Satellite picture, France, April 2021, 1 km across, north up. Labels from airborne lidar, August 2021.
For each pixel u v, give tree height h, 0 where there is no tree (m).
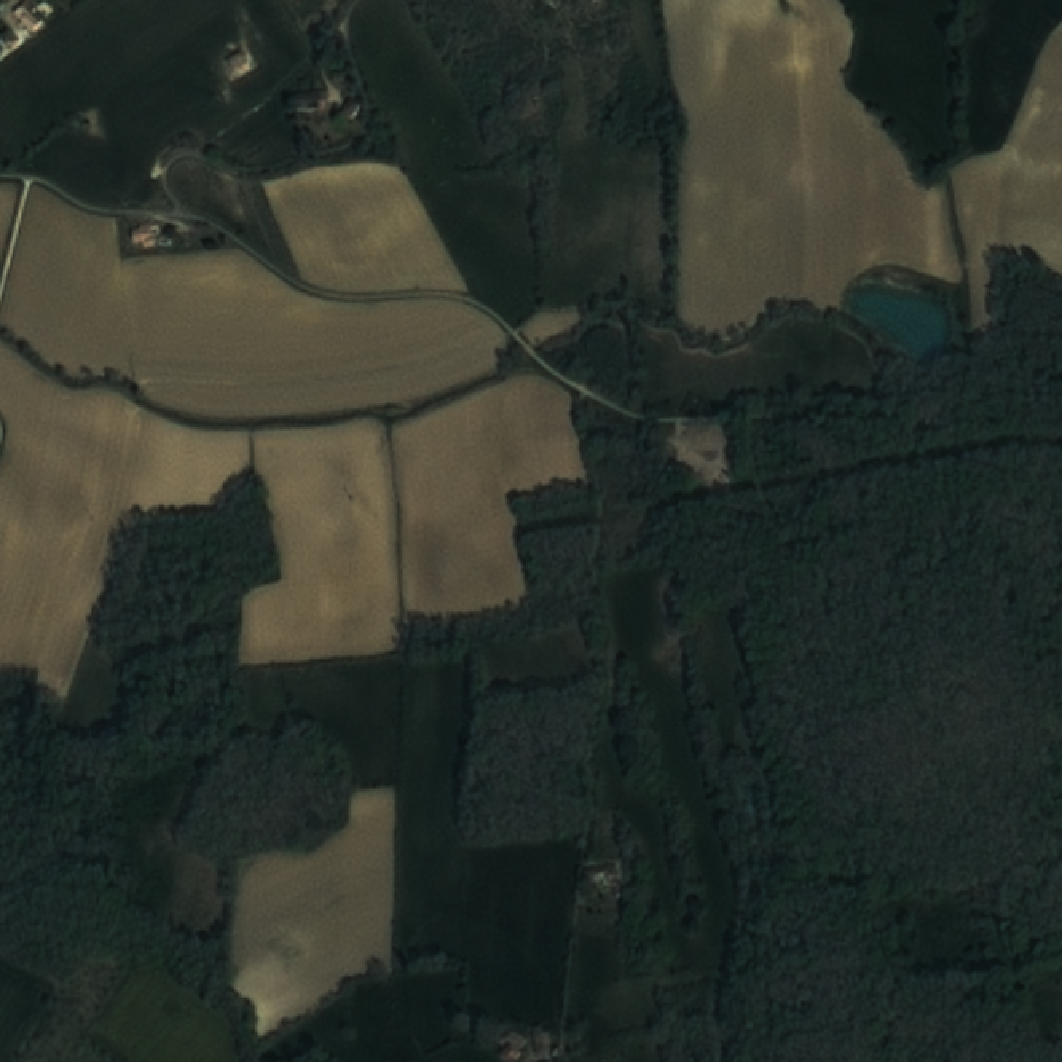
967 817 15
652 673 0
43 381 0
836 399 19
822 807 24
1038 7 0
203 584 6
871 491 19
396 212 0
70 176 0
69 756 27
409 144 0
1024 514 20
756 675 21
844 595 17
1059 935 11
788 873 29
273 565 16
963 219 0
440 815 0
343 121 14
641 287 0
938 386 25
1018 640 20
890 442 17
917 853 22
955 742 15
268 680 0
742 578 21
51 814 30
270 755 13
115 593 19
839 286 0
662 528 19
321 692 0
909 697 15
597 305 14
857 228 0
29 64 0
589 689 19
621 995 0
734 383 0
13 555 0
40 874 21
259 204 10
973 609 21
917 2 0
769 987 20
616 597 0
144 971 0
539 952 0
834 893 24
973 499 23
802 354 0
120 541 17
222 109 0
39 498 0
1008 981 17
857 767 19
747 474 18
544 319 0
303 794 18
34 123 0
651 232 0
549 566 19
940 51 0
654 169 0
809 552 21
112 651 11
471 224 0
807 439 19
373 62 0
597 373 11
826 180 0
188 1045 0
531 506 13
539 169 22
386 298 0
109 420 0
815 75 0
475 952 0
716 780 15
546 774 23
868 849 24
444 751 0
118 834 7
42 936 22
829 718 18
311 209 0
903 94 0
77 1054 7
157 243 0
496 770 22
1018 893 17
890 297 0
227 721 17
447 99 0
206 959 28
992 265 18
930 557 20
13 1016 0
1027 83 0
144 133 0
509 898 0
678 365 0
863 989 18
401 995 0
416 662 18
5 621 0
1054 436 15
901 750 16
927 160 0
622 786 0
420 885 0
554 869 0
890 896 12
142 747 21
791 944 23
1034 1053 24
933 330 0
